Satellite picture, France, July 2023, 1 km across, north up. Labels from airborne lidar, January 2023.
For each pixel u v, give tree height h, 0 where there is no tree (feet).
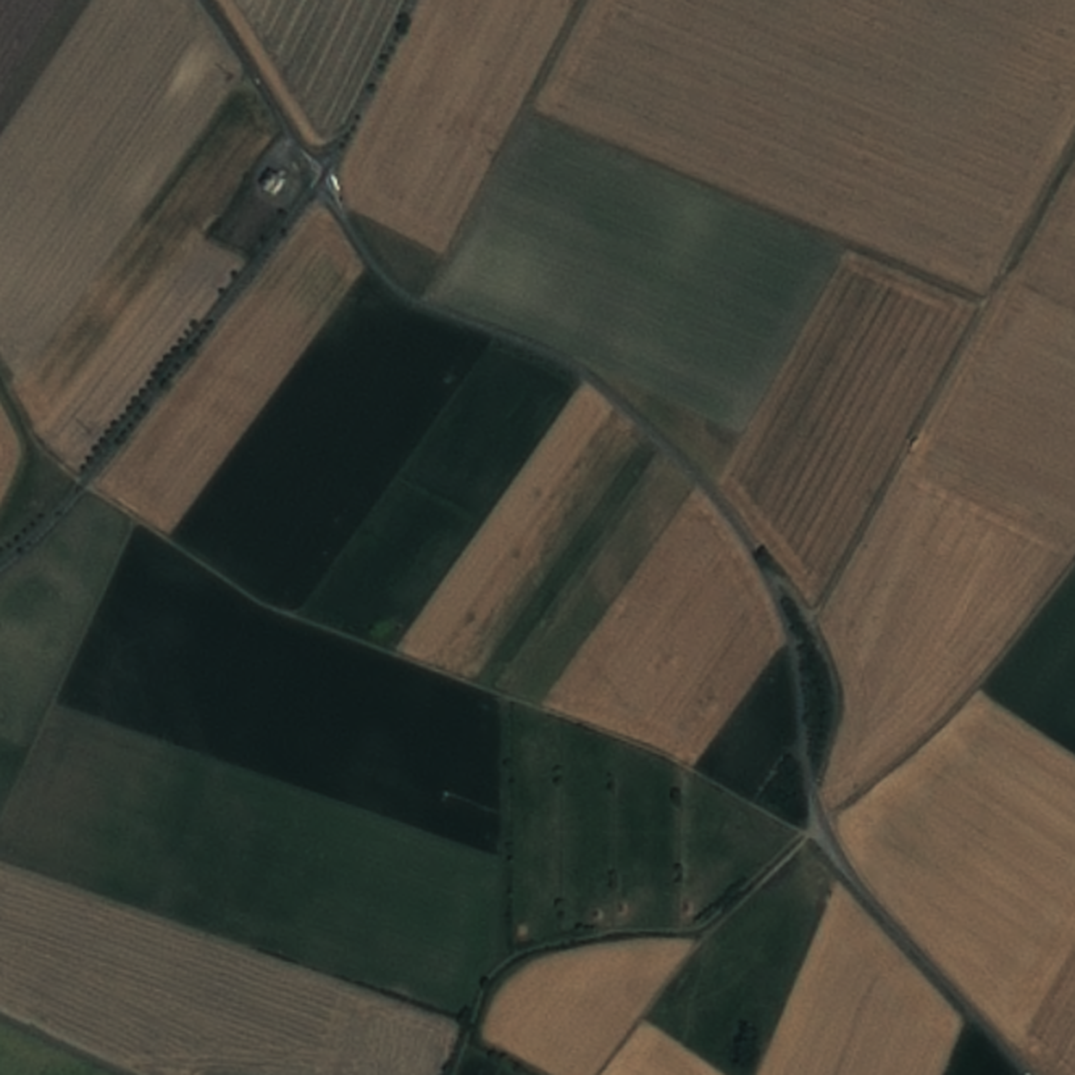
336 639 0
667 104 0
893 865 0
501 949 0
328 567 0
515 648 0
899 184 0
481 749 0
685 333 0
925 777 0
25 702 0
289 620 0
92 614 0
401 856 0
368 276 0
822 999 0
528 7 0
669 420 0
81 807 0
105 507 0
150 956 0
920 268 0
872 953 0
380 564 0
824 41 0
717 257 0
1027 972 0
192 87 0
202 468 0
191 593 0
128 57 0
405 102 0
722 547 0
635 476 0
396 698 0
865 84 0
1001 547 0
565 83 0
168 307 0
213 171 0
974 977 0
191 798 0
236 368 0
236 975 0
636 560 0
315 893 0
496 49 0
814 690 27
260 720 0
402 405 0
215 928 0
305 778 0
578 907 0
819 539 0
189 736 0
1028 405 0
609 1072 0
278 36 0
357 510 0
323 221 0
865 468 0
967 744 0
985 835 0
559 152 0
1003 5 0
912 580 0
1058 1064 0
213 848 0
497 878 0
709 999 0
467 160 0
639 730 0
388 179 0
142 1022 0
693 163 0
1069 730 0
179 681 0
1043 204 0
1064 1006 0
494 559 0
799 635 21
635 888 0
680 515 0
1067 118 0
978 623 0
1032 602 0
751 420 0
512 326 0
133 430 25
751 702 0
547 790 0
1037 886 0
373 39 0
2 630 0
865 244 0
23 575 0
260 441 0
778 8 0
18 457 0
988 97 0
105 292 0
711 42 0
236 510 0
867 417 0
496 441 0
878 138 0
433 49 0
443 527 0
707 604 0
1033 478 0
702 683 0
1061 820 0
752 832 0
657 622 0
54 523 0
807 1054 0
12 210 0
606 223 0
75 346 0
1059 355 0
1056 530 0
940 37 0
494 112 0
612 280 0
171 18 0
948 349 0
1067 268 0
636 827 0
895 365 0
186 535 0
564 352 0
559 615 0
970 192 0
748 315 0
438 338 0
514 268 0
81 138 0
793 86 0
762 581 0
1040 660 0
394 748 0
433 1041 0
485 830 0
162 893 0
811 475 0
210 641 0
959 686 0
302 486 0
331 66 0
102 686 0
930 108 0
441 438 0
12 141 0
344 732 0
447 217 0
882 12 0
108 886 0
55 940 0
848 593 0
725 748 0
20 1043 0
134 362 0
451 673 0
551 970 0
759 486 0
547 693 0
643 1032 0
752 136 0
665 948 0
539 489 0
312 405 0
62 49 0
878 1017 0
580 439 0
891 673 0
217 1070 0
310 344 0
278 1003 0
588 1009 0
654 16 0
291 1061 0
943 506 0
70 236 0
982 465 0
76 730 0
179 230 0
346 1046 0
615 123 0
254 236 0
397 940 0
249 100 0
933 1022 0
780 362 0
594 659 0
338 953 0
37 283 0
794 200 0
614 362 0
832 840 0
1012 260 0
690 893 0
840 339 0
